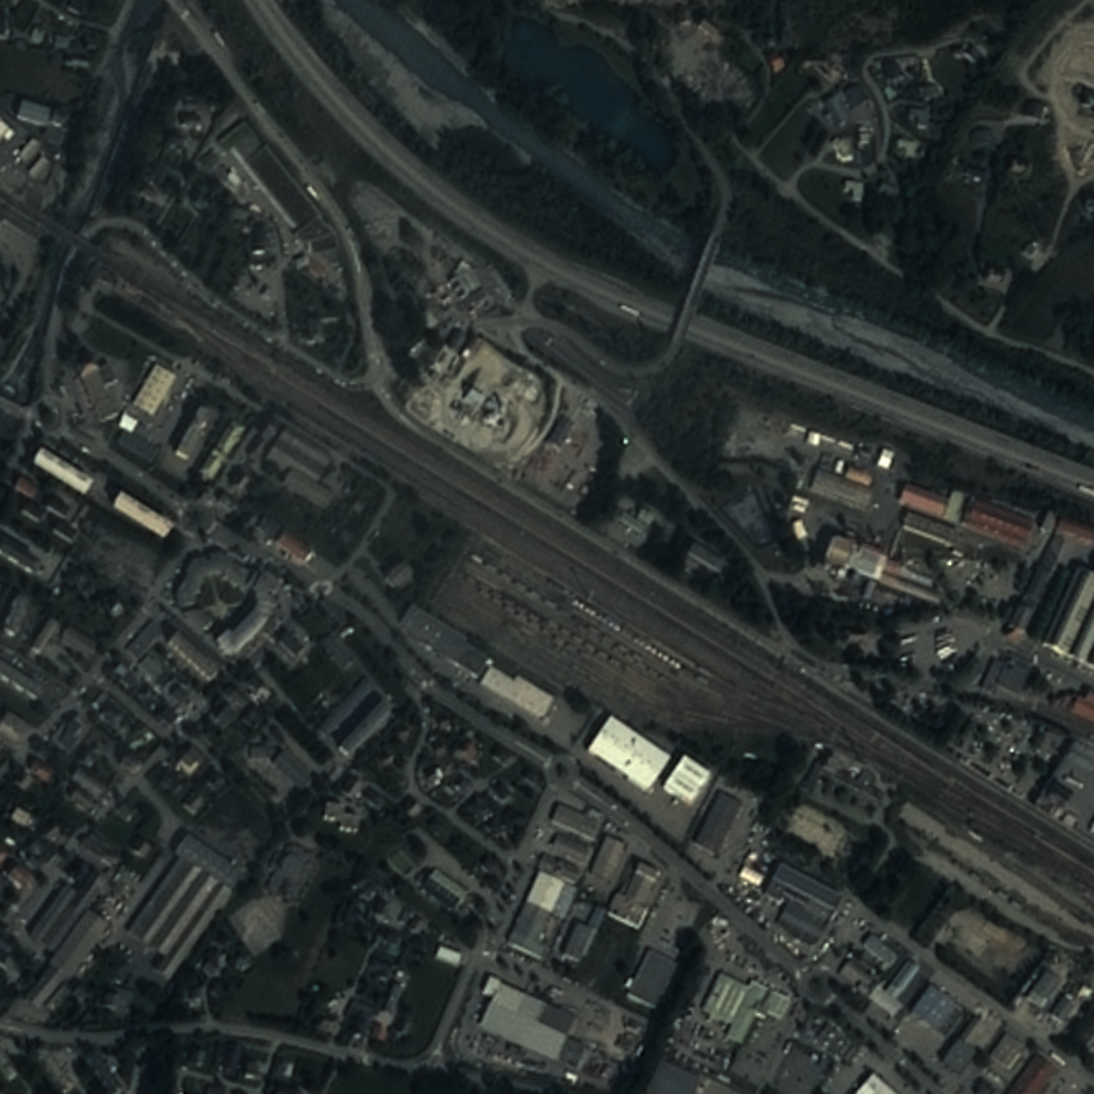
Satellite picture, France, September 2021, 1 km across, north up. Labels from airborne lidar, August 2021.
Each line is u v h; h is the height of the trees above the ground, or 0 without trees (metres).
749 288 0
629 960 0
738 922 0
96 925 0
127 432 0
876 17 10
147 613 0
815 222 6
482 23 30
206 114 0
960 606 7
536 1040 0
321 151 0
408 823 10
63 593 10
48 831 0
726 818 0
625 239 10
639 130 0
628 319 0
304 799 15
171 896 0
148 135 23
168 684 0
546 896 0
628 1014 0
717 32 0
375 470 8
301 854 0
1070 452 12
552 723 0
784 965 0
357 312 7
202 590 0
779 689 0
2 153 0
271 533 0
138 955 0
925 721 11
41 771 0
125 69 0
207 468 0
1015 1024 0
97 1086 6
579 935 0
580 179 0
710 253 0
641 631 0
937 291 14
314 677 0
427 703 8
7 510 15
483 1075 0
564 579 0
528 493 0
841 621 12
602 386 0
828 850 0
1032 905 0
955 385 0
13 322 18
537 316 0
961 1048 0
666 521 13
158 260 0
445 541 8
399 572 0
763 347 0
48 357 0
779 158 0
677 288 15
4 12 6
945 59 0
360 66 0
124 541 0
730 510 0
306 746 10
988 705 9
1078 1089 0
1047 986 0
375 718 0
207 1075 0
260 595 0
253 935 0
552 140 12
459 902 0
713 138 28
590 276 0
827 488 0
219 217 13
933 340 18
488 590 0
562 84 0
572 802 0
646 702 0
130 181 19
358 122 0
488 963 0
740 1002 0
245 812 0
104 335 0
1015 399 0
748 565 16
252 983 0
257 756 0
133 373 0
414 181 0
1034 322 0
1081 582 0
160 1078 26
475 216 0
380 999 9
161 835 0
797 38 6
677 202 16
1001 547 0
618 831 0
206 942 8
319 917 0
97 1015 7
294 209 0
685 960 10
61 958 0
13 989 8
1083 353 10
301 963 0
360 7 0
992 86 7
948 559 0
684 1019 0
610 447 18
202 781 7
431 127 0
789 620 14
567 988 0
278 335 0
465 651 0
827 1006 0
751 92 0
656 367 0
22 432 0
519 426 0
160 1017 9
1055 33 0
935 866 0
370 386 0
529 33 0
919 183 11
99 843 0
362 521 7
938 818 0
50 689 0
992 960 0
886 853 0
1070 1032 7
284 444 0
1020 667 0
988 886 0
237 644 0
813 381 0
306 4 8
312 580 0
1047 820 0
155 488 0
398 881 9
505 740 0
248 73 10
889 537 0
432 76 0
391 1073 10
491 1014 0
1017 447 0
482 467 0
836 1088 0
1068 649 0
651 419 9
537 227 17
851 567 0
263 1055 0
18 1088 0
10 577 10
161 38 0
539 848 0
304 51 0
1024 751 0
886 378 7
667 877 0
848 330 0
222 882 0
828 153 0
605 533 0
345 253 0
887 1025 0
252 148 0
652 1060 15
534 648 0
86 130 17
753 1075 0
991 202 10
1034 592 0
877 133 0
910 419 0
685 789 0
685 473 11
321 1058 0
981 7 11
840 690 0
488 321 0
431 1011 0
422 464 0
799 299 0
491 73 16
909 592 0
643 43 19
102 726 6
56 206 6
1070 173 0
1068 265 0
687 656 0
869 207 14
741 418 0
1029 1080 0
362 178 0
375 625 0
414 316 20
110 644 10
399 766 10
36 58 0
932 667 0
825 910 0
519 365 9
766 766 9
